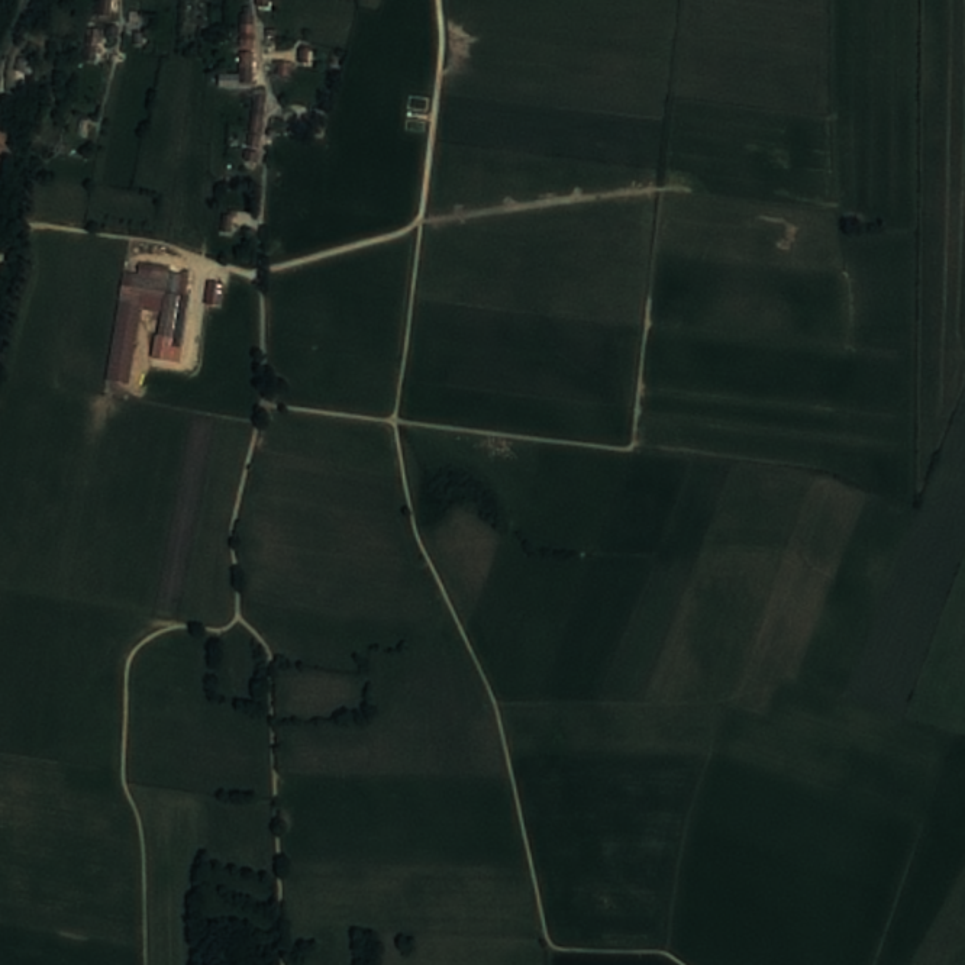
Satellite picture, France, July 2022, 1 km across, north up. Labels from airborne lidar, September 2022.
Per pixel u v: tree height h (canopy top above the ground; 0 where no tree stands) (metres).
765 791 0
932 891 0
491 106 0
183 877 0
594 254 0
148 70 0
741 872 0
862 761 0
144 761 0
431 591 0
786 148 0
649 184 0
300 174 0
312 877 0
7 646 0
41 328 0
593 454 0
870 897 0
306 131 32
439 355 0
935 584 0
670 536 0
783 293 0
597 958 0
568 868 0
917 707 0
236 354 0
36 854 0
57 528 0
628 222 0
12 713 0
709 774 0
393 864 0
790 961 0
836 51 0
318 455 0
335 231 0
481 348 0
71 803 0
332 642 0
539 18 0
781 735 0
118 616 0
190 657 0
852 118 0
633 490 0
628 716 0
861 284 0
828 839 0
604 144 0
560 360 0
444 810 0
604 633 0
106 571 0
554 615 0
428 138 0
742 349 0
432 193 0
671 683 0
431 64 0
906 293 0
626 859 0
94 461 0
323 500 0
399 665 0
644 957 0
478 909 0
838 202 0
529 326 0
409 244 0
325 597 0
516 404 0
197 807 0
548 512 0
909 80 0
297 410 0
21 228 20
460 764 0
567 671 0
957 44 0
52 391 0
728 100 0
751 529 0
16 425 0
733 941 0
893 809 0
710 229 0
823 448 0
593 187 0
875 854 0
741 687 0
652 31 0
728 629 0
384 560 0
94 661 0
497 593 0
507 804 0
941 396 0
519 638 0
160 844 0
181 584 0
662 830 0
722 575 0
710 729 0
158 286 0
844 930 0
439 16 0
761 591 0
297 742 0
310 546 0
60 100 15
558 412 0
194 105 0
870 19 0
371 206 0
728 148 0
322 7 0
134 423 0
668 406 0
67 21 0
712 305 0
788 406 0
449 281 0
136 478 0
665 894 0
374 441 0
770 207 0
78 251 0
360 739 0
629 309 0
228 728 0
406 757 0
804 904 0
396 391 0
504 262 0
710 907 0
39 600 0
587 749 0
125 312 0
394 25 0
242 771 0
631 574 0
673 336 0
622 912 0
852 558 0
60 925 0
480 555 0
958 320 0
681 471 0
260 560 0
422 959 0
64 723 0
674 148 0
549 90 0
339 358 0
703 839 0
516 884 0
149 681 0
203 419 0
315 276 0
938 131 0
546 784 0
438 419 0
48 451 0
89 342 0
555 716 0
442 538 0
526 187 0
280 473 0
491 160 0
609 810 0
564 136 0
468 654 0
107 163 0
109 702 0
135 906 0
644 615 0
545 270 0
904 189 0
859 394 0
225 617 0
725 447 0
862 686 0
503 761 0
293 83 0
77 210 0
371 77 0
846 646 0
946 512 0
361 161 0
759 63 0
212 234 0
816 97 0
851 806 0
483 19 0
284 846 0
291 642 0
